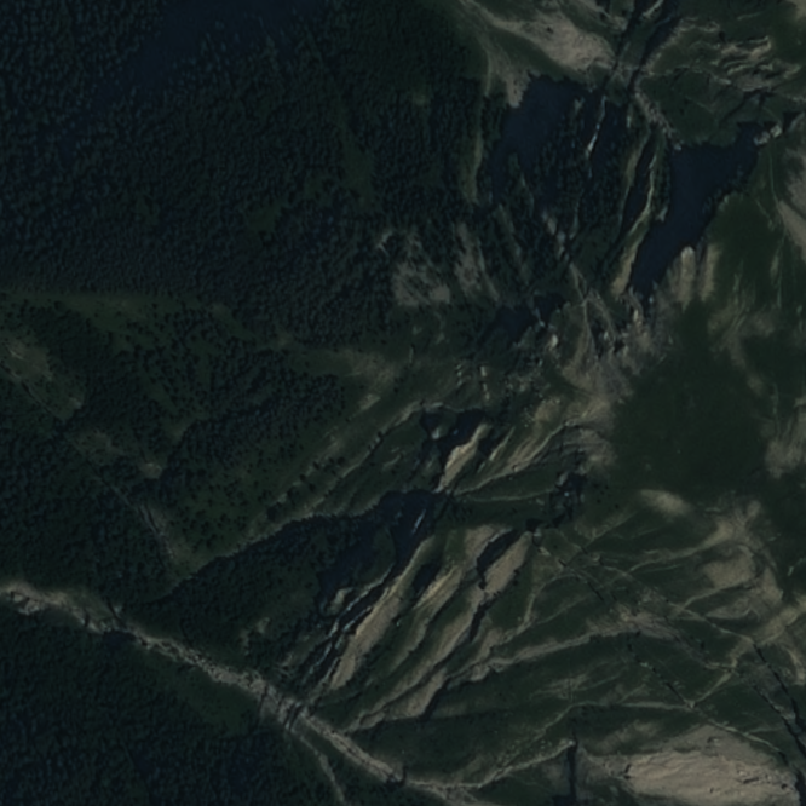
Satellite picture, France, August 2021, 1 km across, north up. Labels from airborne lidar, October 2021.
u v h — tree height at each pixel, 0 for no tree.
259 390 17
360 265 24
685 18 0
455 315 0
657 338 0
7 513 19
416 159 14
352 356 0
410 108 13
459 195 16
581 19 0
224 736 10
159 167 23
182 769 14
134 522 18
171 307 0
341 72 27
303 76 23
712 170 0
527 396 0
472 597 0
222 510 0
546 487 0
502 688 0
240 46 19
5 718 22
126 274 25
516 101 0
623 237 0
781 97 0
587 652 0
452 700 0
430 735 0
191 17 18
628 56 0
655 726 0
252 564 16
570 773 0
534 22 0
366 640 0
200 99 31
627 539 0
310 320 20
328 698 0
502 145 0
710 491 0
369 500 0
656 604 0
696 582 0
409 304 0
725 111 0
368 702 0
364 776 0
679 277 0
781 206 0
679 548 0
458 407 0
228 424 16
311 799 8
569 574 0
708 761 0
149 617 13
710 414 0
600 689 0
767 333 0
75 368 11
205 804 21
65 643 8
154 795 14
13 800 21
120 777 20
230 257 13
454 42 6
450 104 14
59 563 15
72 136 12
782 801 0
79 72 29
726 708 0
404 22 10
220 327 21
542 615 0
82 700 10
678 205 0
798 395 0
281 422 15
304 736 0
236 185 15
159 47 28
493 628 0
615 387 0
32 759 26
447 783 0
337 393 15
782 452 0
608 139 10
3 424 24
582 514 0
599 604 0
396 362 0
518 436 0
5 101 12
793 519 0
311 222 11
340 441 0
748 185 7
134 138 18
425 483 0
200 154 20
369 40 15
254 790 15
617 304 0
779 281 0
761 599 0
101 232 24
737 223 0
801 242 0
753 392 0
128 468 16
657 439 0
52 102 26
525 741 0
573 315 0
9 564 11
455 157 9
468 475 0
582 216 7
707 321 0
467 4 0
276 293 25
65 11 26
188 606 19
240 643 8
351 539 14
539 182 9
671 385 0
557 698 0
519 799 0
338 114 19
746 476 0
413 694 0
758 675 0
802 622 0
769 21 0
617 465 0
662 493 0
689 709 0
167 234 14
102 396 18
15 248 23
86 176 22
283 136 20
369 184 0
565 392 0
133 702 10
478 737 0
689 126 0
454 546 0
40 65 26
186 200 22
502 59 0
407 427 0
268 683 0
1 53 19
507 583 0
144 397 9
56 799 22
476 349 0
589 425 0
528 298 0
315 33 8
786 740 0
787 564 0
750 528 0
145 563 7
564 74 0
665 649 0
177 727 14
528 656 0
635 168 0
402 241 9
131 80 35
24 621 14
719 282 0
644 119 8
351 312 22
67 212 27
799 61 0
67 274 24
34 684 13
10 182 27
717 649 0
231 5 19
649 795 0
